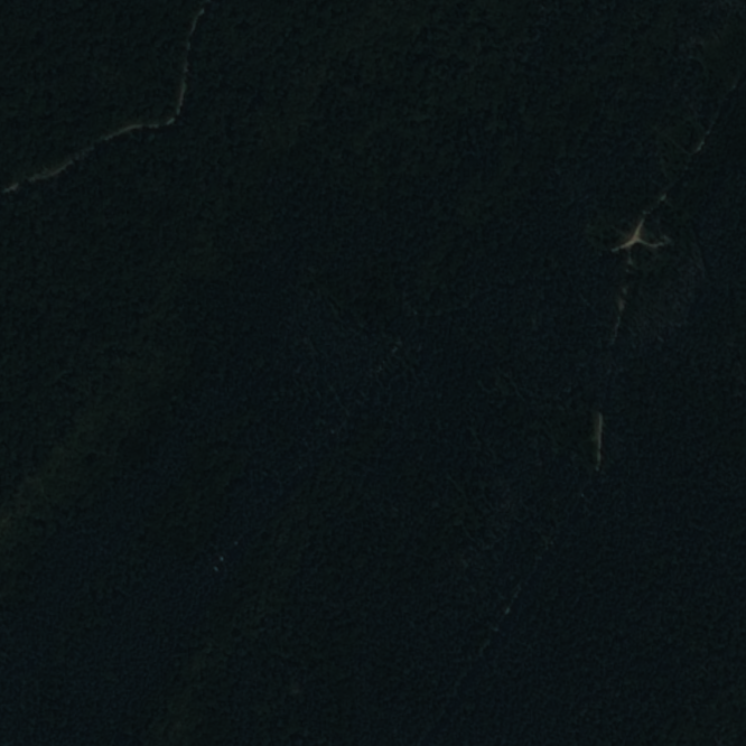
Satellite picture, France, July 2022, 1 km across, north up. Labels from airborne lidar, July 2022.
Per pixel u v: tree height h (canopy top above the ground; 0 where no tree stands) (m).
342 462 17
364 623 21
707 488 22
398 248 19
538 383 18
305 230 19
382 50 18
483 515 31
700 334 23
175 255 18
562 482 22
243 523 26
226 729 19
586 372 27
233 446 17
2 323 21
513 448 22
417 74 18
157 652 27
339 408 25
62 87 20
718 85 11
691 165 8
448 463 22
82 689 29
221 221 14
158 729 18
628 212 21
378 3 16
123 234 19
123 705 26
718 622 16
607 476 21
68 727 30
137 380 18
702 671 12
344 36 17
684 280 23
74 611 23
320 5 23
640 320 17
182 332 14
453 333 23
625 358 24
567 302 25
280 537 14
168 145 19
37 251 17
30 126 23
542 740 27
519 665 25
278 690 19
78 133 19
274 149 20
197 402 30
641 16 19
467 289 21
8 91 25
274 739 28
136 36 25
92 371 18
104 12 23
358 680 28
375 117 21
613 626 18
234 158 24
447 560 22
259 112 21
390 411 18
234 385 20
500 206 20
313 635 24
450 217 17
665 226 15
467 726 21
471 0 18
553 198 23
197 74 18
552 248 22
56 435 15
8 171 22
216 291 15
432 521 21
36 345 19
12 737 27
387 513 18
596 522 24
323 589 25
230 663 22
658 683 15
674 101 23
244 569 24
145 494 29
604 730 22
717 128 10
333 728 28
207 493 18
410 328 20
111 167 21
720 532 22
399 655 22
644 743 15
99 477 24
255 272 22
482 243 19
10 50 21
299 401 21
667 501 22
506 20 21
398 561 18
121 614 28
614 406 22
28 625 31
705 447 18
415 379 24
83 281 19
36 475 18
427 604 20
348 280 19
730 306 21
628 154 23
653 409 23
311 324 25
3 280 22
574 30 23
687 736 17
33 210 21
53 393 22
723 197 24
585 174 23
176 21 22
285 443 15
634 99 14
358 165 17
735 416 26
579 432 11
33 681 29
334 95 17
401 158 20
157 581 32
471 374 22
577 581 22
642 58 22
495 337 19
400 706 29
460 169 23
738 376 23
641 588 24
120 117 14
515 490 27
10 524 19
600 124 20
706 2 21
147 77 21
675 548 20
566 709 22
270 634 19
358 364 28
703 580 23
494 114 22
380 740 29
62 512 25
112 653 27
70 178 19
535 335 20
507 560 20
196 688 22
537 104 21
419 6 24
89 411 21
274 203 27
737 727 12
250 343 19
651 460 23
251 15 19
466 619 27
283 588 21
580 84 19
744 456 20
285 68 20
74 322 24
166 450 31
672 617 17
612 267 25
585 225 25
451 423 19
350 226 24
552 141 25
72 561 30
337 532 22
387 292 12
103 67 22
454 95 19
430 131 16
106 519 29
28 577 28
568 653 21
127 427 22
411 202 23
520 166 26
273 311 25
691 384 20
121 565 28
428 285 16
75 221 21
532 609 22
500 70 20
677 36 19
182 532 22
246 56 23
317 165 18
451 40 20
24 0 22
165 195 21
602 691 28
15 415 22
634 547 19
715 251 28
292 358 17
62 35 21
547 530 26
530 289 26
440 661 20
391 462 18
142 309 15
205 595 29
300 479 25
